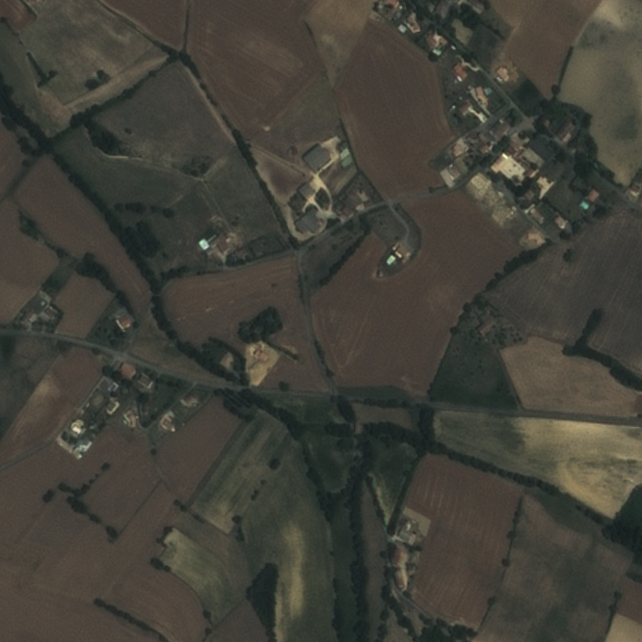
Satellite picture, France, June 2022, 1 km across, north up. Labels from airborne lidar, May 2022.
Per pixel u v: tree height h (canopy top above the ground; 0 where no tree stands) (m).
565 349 7
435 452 20
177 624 0
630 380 10
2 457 0
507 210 0
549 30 0
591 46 0
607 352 0
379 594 0
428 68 0
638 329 0
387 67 0
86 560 0
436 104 0
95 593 0
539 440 0
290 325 0
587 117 14
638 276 0
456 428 0
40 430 0
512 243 0
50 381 0
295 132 0
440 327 0
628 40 0
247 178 0
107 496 0
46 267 0
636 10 0
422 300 0
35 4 0
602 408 0
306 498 0
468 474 0
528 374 0
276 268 0
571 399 0
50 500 11
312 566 0
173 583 0
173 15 0
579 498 0
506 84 0
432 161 0
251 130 0
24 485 0
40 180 0
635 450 0
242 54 0
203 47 0
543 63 0
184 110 0
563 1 0
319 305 0
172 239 0
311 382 0
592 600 0
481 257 0
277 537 0
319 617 0
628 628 0
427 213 0
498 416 0
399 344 0
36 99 0
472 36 0
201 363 11
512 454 0
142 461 0
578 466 0
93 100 0
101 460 0
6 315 0
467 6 8
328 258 0
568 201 0
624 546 22
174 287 0
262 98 0
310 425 0
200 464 0
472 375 6
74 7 0
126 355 0
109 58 0
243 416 7
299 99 0
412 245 0
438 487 0
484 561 0
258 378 0
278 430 0
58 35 0
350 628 0
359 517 15
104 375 11
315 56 0
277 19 0
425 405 9
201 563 0
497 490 0
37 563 0
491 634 0
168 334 12
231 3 0
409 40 0
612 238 0
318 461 0
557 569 0
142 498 0
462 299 0
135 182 0
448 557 0
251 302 0
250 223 0
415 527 0
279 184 0
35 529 0
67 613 0
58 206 0
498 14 0
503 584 0
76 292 0
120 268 0
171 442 0
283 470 0
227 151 0
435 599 0
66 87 0
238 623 0
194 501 0
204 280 0
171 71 0
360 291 0
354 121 0
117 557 0
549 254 0
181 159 0
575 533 0
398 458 0
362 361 0
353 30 0
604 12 0
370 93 0
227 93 0
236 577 0
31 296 0
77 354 0
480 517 0
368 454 14
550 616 0
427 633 14
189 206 0
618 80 0
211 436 0
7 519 0
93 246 0
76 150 0
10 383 0
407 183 0
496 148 16
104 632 0
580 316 0
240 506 0
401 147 0
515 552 0
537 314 0
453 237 0
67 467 0
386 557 12
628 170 0
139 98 0
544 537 0
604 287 0
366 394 0
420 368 0
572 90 0
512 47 0
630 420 0
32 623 0
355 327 0
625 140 0
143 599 0
